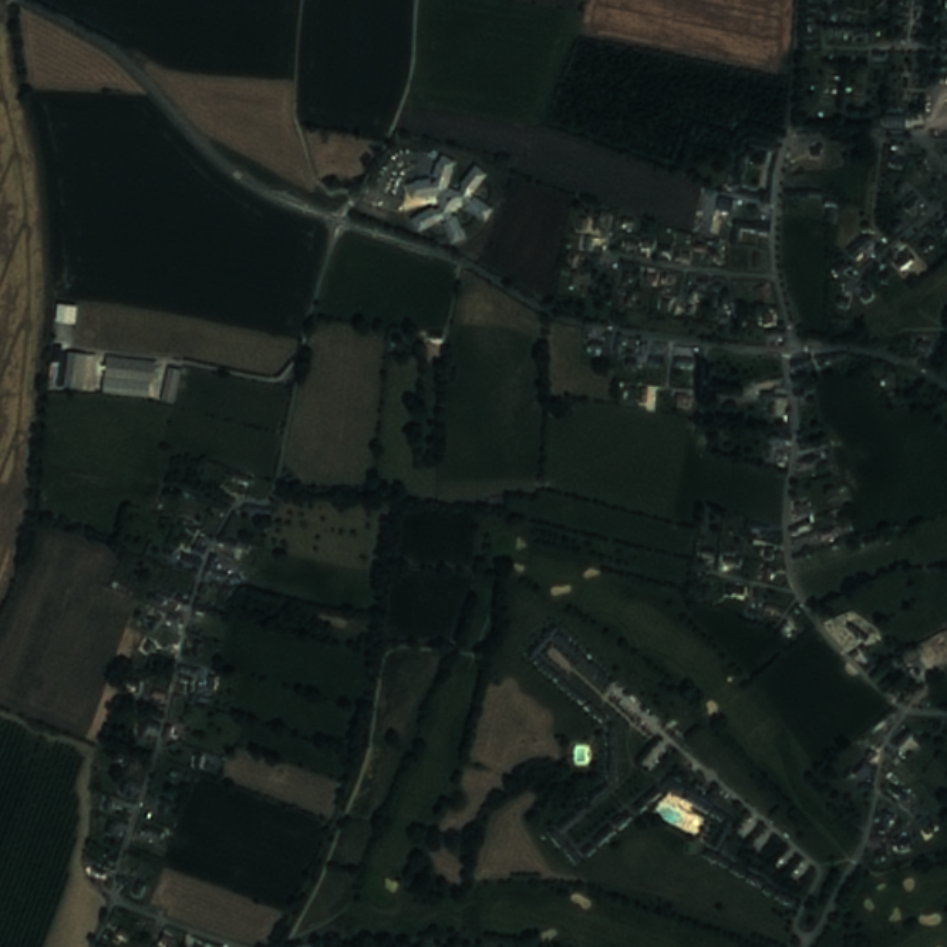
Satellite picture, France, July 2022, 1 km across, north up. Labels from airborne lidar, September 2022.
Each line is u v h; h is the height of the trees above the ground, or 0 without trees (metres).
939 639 0
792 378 13
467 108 0
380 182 0
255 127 0
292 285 0
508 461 0
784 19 0
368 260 0
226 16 0
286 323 0
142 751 13
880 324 0
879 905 0
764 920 0
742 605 0
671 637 0
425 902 7
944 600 0
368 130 0
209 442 0
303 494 13
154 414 0
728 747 7
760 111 8
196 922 0
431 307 0
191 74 0
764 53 0
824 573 0
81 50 0
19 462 0
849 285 0
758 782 8
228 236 0
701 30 0
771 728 0
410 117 0
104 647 0
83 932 0
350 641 7
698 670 0
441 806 12
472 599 14
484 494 0
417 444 10
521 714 0
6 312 0
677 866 0
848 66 12
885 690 11
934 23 12
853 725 0
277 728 18
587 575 0
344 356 0
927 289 0
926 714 0
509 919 0
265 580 0
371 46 0
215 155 0
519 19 0
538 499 7
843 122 11
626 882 0
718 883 0
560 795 6
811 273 0
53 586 0
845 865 0
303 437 0
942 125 0
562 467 0
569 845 0
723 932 7
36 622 0
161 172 0
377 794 0
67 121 0
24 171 0
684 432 0
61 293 0
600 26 0
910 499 0
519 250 0
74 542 0
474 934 0
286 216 0
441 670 11
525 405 0
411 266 0
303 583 0
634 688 0
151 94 0
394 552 14
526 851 0
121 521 11
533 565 0
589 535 6
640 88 7
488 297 0
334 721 0
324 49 0
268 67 0
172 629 0
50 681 0
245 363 0
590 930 0
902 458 0
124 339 0
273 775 0
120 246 0
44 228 0
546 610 0
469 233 0
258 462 0
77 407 0
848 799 7
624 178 0
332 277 0
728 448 6
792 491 7
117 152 0
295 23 0
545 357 17
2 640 0
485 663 12
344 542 0
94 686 0
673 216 0
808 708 0
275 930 7
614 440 0
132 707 11
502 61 0
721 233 0
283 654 0
